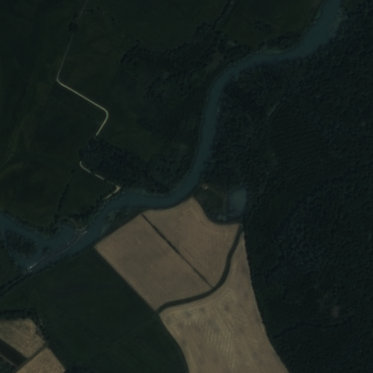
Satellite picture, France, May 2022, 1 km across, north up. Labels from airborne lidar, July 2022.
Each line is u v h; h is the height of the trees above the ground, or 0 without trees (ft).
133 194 0
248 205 54
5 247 47
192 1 0
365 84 81
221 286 0
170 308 0
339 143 75
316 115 80
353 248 76
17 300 0
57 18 0
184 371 0
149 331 0
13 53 0
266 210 58
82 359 0
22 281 43
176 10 0
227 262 0
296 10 0
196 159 0
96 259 0
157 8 0
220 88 0
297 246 98
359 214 75
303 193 19
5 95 0
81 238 0
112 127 0
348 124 79
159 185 83
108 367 0
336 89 78
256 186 24
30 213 0
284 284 53
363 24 84
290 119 21
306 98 83
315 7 0
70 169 0
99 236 0
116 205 0
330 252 89
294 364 58
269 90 82
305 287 67
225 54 41
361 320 70
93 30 0
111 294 0
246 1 0
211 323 0
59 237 0
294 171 25
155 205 0
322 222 84
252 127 96
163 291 0
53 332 0
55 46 0
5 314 50
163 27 0
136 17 0
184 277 0
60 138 0
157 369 0
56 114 0
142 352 0
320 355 76
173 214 0
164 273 0
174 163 53
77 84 0
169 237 0
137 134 0
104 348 0
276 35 0
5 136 0
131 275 0
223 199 0
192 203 0
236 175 70
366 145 75
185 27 0
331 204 79
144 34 0
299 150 23
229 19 42
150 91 32
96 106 0
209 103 0
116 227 0
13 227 0
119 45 0
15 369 30
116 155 85
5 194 0
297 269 76
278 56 0
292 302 56
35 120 0
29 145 0
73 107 0
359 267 80
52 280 0
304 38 0
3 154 0
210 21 0
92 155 93
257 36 0
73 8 0
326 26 0
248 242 40
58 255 0
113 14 0
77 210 0
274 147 22
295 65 74
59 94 0
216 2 0
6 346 0
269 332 31
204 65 51
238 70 0
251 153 41
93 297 0
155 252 0
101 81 0
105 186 0
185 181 0
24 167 0
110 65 0
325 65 73
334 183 69
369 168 74
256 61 0
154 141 0
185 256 0
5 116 0
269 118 35
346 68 75
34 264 0
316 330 80
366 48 94
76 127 0
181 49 52
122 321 0
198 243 0
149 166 55
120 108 0
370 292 87
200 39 49
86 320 0
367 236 45
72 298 0
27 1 0
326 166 26
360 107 87
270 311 25
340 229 66
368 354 67
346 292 75
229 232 0
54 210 0
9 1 0
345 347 70
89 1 0
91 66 0
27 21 0
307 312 25
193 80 19
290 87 111
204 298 0
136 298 0
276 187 47
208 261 0
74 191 0
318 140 26
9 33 0
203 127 0
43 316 0
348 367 57
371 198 68
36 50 0
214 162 23
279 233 25
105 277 0
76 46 0
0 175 0
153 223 0
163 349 0
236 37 0
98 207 41
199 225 0
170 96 0
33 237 0
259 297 39
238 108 72
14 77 0
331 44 64
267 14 0
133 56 50
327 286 73
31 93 0
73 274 0
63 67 0
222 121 89
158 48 0
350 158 62
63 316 0
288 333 72
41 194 0
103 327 0
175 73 39
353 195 70
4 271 0
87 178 0
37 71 0
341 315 26
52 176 0
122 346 0
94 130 0
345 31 62
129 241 0
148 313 0
